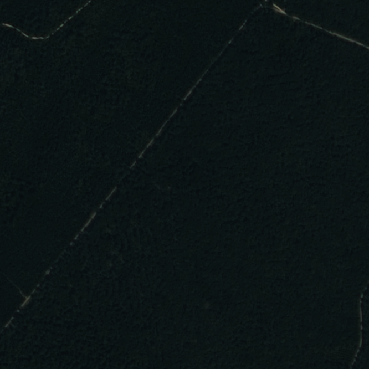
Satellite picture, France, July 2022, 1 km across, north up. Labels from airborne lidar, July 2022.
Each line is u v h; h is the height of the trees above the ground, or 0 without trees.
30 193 20
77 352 20
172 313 20
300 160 20
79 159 11
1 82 25
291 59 10
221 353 21
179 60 6
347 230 20
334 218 20
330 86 17
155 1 11
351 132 14
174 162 24
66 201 8
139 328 20
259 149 20
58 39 15
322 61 16
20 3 12
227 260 19
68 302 20
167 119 8
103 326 18
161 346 18
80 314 23
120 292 19
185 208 18
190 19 8
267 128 19
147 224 24
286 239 17
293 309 20
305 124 21
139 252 21
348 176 18
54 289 20
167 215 27
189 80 12
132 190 21
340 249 20
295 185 20
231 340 15
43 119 12
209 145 24
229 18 7
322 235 19
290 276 21
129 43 19
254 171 19
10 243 9
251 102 19
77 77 17
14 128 9
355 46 16
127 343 21
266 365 18
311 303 18
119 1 7
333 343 16
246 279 19
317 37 18
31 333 11
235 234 19
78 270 25
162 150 20
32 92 7
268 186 20
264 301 19
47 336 18
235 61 18
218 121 21
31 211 6
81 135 25
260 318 24
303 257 17
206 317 19
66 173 7
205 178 23
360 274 19
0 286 8
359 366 18
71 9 22
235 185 17
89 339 18
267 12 22
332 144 19
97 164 6
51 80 8
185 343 19
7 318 12
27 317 23
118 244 22
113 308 21
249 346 22
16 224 7
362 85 19
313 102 19
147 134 15
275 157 16
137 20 9
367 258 21
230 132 20
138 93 7
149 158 19
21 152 10
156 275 21
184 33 8
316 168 19
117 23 11
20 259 8
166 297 21
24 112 8
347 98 15
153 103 11
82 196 12
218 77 20
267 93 18
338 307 22
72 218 8
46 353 18
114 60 18
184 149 26
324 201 18
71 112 9
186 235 25
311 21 14
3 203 26
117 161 10
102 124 8
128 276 24
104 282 21
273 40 19
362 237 17
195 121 22
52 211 7
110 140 10
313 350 16
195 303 18
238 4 11
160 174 22
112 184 15
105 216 22
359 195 23
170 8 12
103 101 20
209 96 18
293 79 18
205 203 19
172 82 10
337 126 16
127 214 24
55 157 14
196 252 19
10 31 13
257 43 20
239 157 21
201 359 20
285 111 22
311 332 21
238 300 18
